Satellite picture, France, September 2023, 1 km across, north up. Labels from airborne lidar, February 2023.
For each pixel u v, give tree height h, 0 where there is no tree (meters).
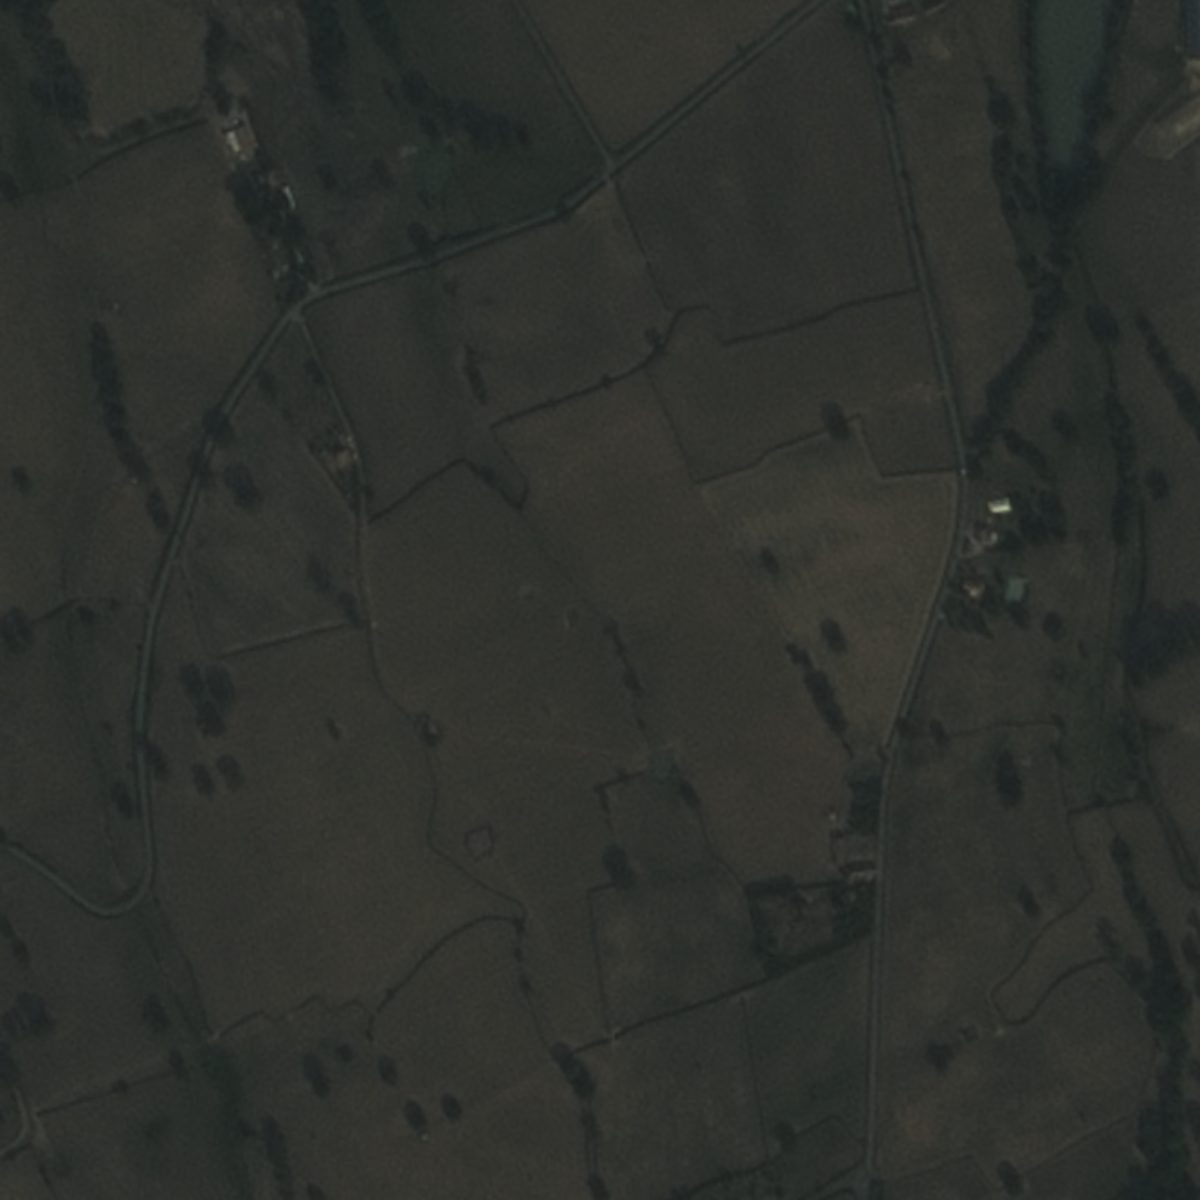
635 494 0
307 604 0
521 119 0
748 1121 0
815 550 0
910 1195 0
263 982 0
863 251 0
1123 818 0
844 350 0
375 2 17
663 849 0
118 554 0
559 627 0
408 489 0
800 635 0
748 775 0
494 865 0
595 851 0
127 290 0
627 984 0
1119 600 0
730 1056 0
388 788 0
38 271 0
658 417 0
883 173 0
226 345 0
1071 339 0
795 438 0
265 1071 0
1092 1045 0
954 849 0
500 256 0
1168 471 0
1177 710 0
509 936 0
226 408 0
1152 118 0
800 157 0
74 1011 0
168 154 0
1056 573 0
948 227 0
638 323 0
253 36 0
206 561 0
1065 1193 0
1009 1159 0
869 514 0
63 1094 0
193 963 0
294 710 0
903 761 0
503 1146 0
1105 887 0
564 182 0
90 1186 0
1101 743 0
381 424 0
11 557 0
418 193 0
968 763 0
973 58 0
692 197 0
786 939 0
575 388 0
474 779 0
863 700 0
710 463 0
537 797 0
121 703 0
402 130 0
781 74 0
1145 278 0
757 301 0
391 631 0
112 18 0
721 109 0
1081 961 0
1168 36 0
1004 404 13
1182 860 0
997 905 0
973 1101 0
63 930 0
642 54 0
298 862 0
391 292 0
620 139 0
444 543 0
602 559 0
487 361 0
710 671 0
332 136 0
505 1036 0
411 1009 0
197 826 0
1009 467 0
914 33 0
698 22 0
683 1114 0
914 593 0
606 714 0
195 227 0
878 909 0
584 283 0
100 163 0
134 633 0
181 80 0
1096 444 0
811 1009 0
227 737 0
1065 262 15
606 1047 0
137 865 0
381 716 0
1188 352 0
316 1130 0
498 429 0
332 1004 0
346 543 0
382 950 0
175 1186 0
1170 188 0
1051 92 0
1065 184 19
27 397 0
